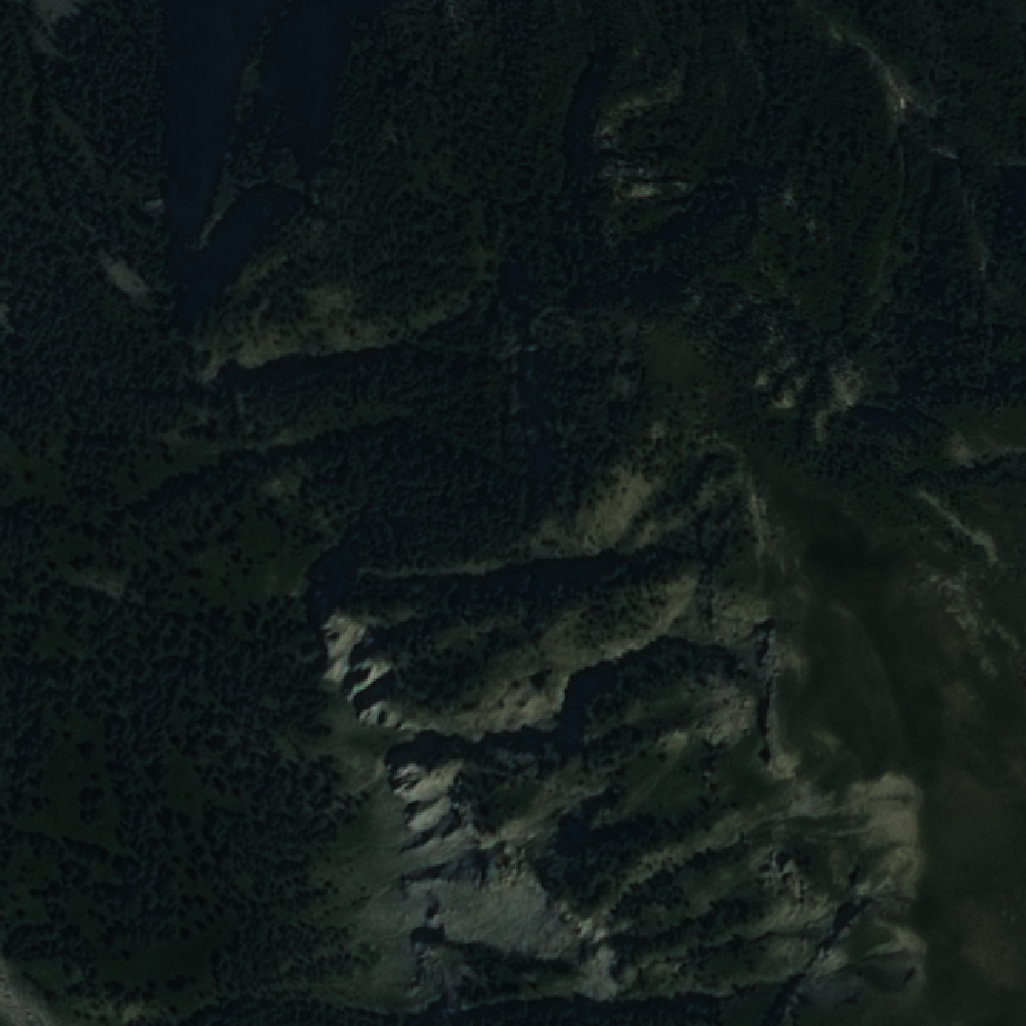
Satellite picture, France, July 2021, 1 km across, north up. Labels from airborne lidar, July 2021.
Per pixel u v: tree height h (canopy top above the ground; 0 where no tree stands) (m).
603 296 8
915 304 7
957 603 0
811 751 0
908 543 0
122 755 16
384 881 0
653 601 13
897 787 0
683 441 8
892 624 0
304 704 18
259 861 21
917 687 0
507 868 7
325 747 0
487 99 11
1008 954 0
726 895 0
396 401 18
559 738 0
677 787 0
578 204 14
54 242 10
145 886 29
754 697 0
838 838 0
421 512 19
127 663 24
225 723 19
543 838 0
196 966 0
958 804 0
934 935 0
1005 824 0
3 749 26
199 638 28
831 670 0
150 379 16
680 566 10
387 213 19
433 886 0
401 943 0
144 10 26
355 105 17
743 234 8
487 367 15
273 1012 19
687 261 11
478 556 8
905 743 0
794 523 0
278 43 8
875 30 10
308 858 12
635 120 13
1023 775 0
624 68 6
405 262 11
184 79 20
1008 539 0
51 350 22
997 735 0
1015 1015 0
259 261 10
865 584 0
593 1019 16
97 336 21
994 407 7
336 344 0
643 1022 18
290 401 17
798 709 0
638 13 6
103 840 0
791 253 11
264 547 0
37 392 31
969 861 0
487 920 0
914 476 9
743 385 10
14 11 19
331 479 23
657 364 0
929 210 7
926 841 0
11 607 8
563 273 6
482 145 7
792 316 14
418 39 15
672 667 9
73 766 0
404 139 16
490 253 13
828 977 0
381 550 9
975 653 0
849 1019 0
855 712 0
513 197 9
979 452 0
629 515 0
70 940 21
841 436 6
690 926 13
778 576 0
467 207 9
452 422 15
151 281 17
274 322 15
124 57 26
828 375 7
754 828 0
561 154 7
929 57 8
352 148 14
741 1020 0
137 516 24
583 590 6
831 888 0
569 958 0
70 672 13
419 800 0
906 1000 0
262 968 19
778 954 0
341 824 7
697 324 8
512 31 7
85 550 0
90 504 16
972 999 0
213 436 20
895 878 0
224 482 22
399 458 18
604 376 10
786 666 0
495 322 9
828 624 0
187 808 0
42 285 25
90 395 28
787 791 0
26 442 25
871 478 11
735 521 9
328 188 6
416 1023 14
